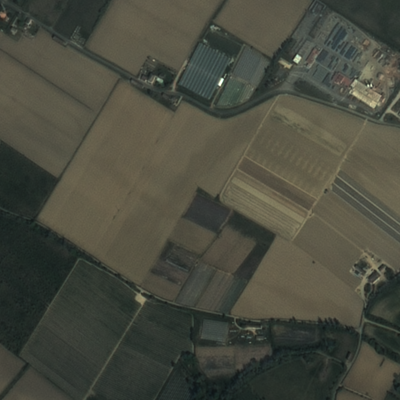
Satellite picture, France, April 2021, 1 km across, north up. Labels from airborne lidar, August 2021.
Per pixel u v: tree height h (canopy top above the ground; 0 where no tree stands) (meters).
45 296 6
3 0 0
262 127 0
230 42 0
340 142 0
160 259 0
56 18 0
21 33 0
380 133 0
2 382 0
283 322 8
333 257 0
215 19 0
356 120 0
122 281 10
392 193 0
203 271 0
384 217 0
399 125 0
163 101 0
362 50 0
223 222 0
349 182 0
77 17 0
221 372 0
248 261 0
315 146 0
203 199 0
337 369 0
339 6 0
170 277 0
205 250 0
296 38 0
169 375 0
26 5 0
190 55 0
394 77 0
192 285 0
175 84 0
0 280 6
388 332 0
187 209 0
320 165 0
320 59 0
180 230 0
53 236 19
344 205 0
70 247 21
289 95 0
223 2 0
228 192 0
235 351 0
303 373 0
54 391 0
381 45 0
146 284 0
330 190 0
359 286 0
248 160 0
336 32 0
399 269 0
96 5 0
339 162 0
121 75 0
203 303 0
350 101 0
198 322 0
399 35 0
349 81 0
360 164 0
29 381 0
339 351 0
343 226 0
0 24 0
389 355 7
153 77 0
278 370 0
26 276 6
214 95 0
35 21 0
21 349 7
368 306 10
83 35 0
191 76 0
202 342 0
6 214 10
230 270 0
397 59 0
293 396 0
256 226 0
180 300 0
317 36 0
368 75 0
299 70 0
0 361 0
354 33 0
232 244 0
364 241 0
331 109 0
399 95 0
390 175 0
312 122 0
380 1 0
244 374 14
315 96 0
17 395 0
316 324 10
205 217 0
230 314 0
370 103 0
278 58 9
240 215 0
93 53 0
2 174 6
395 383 9
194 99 0
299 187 0
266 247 0
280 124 0
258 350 0
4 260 7
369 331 0
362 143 0
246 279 0
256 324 6
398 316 0
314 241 0
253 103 0
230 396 9
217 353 0
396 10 0
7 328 8
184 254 0
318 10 0
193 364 16
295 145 0
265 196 0
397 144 0
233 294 0
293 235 0
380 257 0
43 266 5
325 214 0
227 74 0
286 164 0
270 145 0
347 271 0
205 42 0
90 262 13
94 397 0
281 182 0
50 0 0
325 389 0
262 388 0
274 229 0
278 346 0
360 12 0
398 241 0
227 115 0
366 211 0
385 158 0
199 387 10
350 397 0
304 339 0
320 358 0
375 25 0
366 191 0
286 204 0
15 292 5
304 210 0
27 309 6
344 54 0
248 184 0
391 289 10
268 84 7
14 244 6
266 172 0
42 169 6
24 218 12
